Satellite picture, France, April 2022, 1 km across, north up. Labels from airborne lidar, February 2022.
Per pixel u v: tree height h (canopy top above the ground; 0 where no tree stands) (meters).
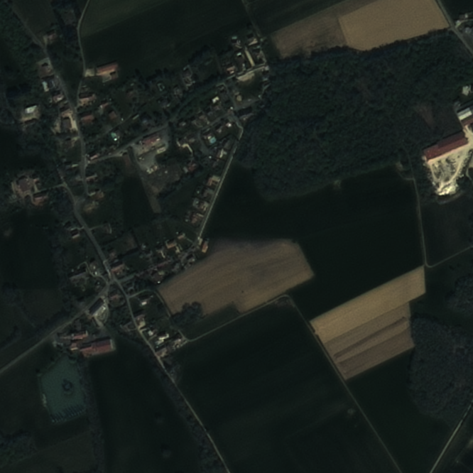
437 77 28
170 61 0
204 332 0
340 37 0
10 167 0
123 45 0
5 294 18
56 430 0
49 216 0
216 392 0
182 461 0
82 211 0
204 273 0
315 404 0
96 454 16
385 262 0
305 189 25
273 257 0
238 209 0
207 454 18
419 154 10
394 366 0
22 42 17
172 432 0
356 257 0
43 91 15
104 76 0
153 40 0
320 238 0
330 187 0
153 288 17
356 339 0
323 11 0
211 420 0
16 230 0
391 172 0
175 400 15
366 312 0
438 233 0
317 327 0
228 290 0
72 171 13
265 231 0
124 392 0
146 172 0
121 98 0
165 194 9
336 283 0
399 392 0
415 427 0
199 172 12
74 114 0
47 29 0
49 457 0
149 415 0
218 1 0
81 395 0
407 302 0
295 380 0
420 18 0
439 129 11
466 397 6
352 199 0
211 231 0
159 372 18
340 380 0
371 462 0
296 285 0
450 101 18
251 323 0
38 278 0
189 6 0
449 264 0
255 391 0
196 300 0
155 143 0
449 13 0
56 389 0
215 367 0
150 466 0
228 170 0
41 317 0
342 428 0
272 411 0
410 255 0
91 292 0
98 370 0
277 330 0
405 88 18
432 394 24
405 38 0
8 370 0
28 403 0
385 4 0
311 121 26
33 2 0
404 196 0
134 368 0
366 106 25
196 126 0
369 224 0
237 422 0
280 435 0
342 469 0
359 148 19
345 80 23
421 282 0
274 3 0
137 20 0
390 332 0
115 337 0
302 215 0
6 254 0
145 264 0
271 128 21
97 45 0
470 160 0
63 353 6
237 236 0
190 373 0
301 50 0
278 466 0
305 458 0
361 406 0
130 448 0
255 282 0
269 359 0
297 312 0
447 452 0
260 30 0
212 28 0
